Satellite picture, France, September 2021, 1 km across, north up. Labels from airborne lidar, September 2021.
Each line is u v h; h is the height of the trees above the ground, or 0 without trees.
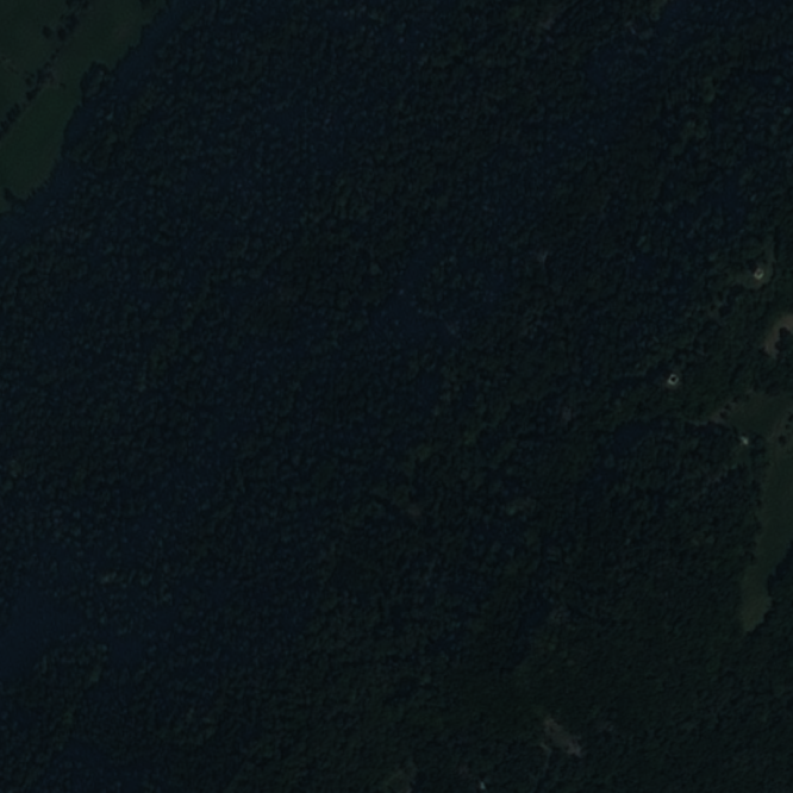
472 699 14
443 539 16
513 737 18
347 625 16
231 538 30
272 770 25
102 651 31
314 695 18
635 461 27
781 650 22
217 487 29
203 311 19
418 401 29
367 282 13
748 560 17
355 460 35
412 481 8
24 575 26
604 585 6
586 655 24
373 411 29
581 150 35
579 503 15
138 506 32
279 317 39
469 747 22
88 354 29
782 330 0
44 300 23
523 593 13
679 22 24
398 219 23
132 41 0
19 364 31
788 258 21
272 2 20
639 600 27
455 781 27
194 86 29
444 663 26
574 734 19
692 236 35
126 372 27
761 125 28
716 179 21
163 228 27
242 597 26
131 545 32
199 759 13
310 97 32
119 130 22
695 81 24
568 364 24
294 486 30
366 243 27
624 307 31
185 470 29
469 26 25
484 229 28
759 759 33
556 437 11
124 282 39
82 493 24
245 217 31
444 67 29
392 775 30
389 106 23
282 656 22
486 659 15
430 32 33
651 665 26
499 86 27
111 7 0
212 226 28
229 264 23
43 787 22
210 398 31
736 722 18
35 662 29
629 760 23
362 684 23
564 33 17
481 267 16
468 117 28
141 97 25
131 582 29
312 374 26
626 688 22
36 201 0
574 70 22
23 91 0
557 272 32
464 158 33
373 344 24
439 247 27
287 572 29
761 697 23
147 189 14
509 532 9
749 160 20
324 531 32
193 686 31
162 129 22
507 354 25
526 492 11
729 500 27
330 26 14
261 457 22
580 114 28
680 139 26
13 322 28
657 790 21
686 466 21
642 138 28
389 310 7
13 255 20
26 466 28
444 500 7
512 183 29
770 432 0
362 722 23
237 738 6
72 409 27
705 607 24
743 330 21
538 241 26
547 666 20
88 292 24
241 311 22
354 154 29
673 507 30
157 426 25
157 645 22
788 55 34
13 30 0
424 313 36
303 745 17
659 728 21
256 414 26
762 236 18
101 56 0
